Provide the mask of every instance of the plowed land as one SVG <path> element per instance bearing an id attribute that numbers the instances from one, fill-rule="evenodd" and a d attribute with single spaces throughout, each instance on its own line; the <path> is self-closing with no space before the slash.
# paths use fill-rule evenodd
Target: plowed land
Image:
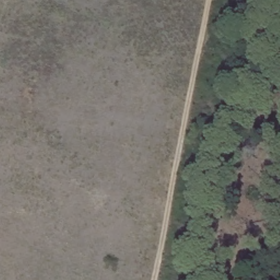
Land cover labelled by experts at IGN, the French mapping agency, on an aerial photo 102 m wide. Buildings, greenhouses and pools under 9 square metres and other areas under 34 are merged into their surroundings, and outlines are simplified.
<path id="1" fill-rule="evenodd" d="M 0 0 L 0 280 L 151 280 L 206 0 Z"/>

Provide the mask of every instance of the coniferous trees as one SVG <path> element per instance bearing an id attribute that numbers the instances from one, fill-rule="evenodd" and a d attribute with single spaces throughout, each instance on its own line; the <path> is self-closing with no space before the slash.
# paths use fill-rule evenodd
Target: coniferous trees
<path id="1" fill-rule="evenodd" d="M 260 198 L 249 200 L 247 197 L 241 197 L 242 183 L 262 188 L 266 184 L 266 176 L 270 179 L 273 176 L 280 178 L 280 0 L 212 0 L 157 280 L 242 280 L 243 277 L 252 278 L 255 273 L 255 268 L 250 268 L 250 259 L 253 259 L 256 252 L 250 249 L 259 243 L 257 237 L 250 234 L 237 238 L 237 234 L 245 232 L 249 221 L 264 219 L 265 207 L 264 201 Z"/>

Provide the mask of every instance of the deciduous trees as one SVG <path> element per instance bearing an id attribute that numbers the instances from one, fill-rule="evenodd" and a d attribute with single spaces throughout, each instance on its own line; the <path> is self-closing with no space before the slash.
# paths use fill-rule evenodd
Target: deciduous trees
<path id="1" fill-rule="evenodd" d="M 257 237 L 259 243 L 250 249 L 256 252 L 253 259 L 250 259 L 250 268 L 255 268 L 255 273 L 252 278 L 243 277 L 242 280 L 280 280 L 280 178 L 273 176 L 270 179 L 266 176 L 266 184 L 262 188 L 242 183 L 241 197 L 247 197 L 249 200 L 260 198 L 264 201 L 265 207 L 264 219 L 249 221 L 245 232 L 237 234 L 237 238 L 250 234 Z"/>

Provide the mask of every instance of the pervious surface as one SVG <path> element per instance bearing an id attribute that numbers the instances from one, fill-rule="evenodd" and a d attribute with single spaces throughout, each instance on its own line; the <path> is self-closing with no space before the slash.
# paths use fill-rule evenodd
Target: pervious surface
<path id="1" fill-rule="evenodd" d="M 151 280 L 157 280 L 212 0 L 206 0 Z"/>

